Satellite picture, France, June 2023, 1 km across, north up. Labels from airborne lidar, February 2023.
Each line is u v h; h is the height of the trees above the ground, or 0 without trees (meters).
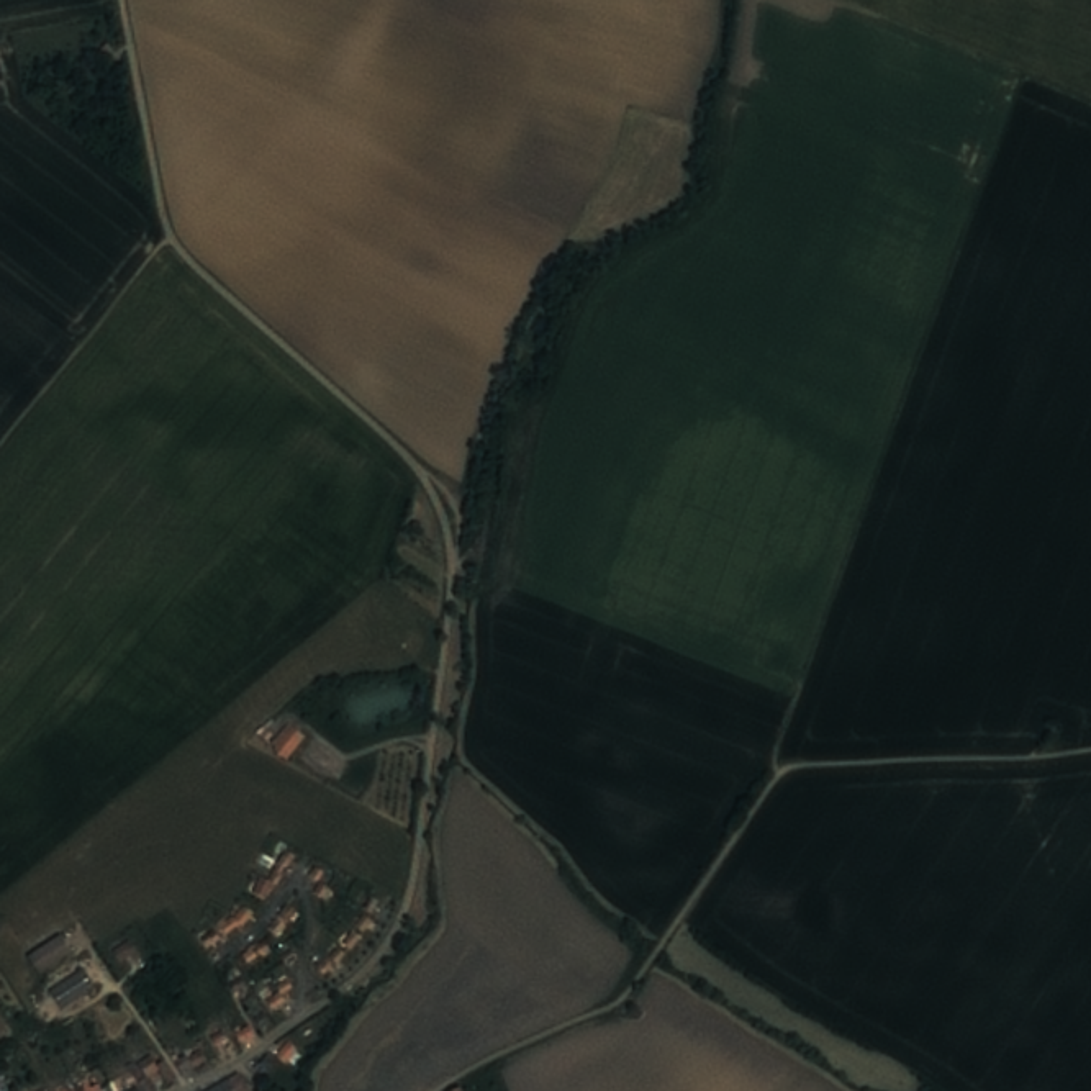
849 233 0
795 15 0
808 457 0
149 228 0
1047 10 0
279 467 0
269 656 0
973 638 0
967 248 0
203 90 0
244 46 0
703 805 0
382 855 0
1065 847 0
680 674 0
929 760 0
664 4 0
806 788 0
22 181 0
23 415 0
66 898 0
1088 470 0
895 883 0
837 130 0
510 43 0
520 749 0
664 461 0
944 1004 0
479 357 0
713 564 0
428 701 6
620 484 0
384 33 0
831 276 0
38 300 0
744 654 0
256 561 0
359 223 0
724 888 0
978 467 0
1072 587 0
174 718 0
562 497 0
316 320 0
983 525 0
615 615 0
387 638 0
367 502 0
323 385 0
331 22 0
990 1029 0
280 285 0
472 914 0
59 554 0
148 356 0
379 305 0
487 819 0
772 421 0
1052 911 0
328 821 0
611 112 0
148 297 0
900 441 0
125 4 0
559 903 0
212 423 0
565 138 0
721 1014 0
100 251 0
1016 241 0
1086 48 0
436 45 0
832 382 0
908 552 0
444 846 0
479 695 0
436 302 0
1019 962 0
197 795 0
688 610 0
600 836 0
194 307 0
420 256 0
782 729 0
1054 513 0
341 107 0
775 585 0
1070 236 0
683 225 0
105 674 0
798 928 0
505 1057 0
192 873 0
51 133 0
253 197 0
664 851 0
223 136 0
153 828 0
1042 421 0
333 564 0
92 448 0
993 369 0
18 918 0
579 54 0
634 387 0
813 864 0
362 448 0
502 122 0
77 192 0
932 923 0
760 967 0
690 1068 0
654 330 0
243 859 0
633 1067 0
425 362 0
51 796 0
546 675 0
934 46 0
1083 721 0
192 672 0
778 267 0
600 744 0
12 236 0
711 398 0
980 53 0
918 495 0
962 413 0
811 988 0
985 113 0
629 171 0
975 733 0
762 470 0
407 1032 0
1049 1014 0
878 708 0
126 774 0
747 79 0
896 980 0
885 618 0
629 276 0
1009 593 0
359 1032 0
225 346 0
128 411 0
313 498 0
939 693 0
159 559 0
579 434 0
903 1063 0
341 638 0
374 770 0
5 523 0
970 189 0
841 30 0
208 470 0
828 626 0
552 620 0
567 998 0
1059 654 0
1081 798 0
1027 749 0
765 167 0
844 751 0
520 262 0
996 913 0
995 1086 0
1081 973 0
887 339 0
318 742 0
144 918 0
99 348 0
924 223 0
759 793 8
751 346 0
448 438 0
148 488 0
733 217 0
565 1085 0
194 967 0
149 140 0
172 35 0
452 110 0
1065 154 0
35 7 0
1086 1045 0
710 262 0
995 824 0
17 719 0
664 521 0
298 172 0
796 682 0
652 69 0
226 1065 0
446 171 0
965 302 0
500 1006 0
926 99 0
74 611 0
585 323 0
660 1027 0
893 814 0
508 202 0
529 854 0
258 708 0
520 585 0
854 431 0
